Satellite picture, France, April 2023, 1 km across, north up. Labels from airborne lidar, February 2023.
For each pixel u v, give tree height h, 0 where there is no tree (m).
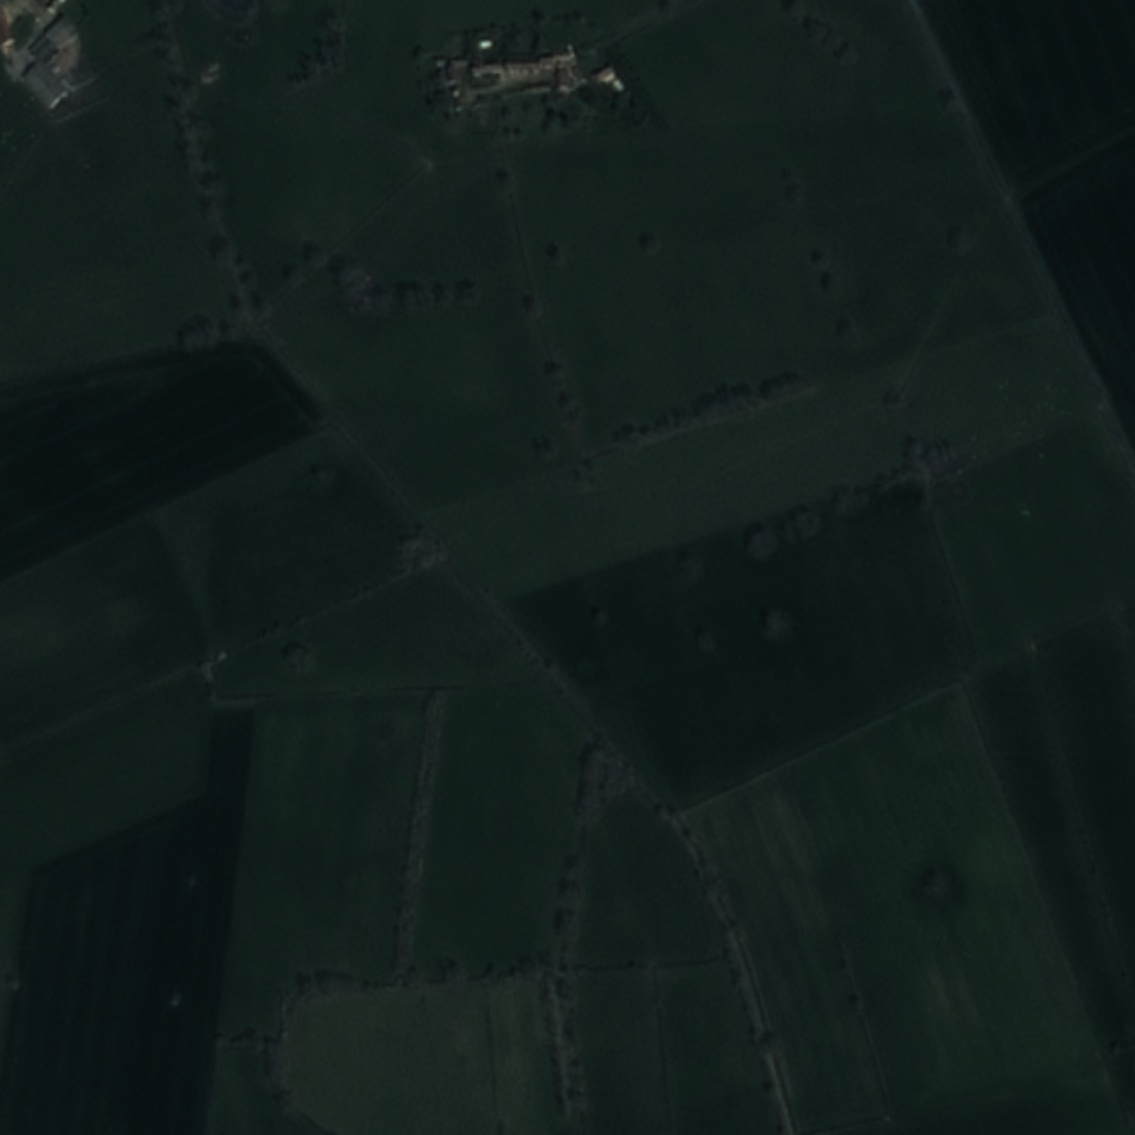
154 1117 0
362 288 16
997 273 0
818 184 0
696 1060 0
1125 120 0
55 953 0
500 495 0
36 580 0
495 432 0
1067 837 0
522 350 0
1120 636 0
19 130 0
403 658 0
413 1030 0
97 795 0
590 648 0
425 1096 0
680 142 0
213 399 0
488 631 0
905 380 0
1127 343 0
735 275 0
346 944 0
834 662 0
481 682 0
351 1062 0
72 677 0
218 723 0
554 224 0
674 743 0
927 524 0
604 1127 0
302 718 0
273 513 0
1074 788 0
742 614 0
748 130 0
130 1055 0
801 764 0
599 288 0
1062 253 0
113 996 0
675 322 0
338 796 0
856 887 0
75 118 0
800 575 0
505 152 0
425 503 0
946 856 0
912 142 0
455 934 0
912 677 0
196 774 0
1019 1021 0
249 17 0
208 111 0
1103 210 0
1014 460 0
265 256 0
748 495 0
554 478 0
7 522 0
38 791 0
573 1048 14
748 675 0
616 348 0
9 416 0
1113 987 0
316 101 0
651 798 0
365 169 0
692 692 0
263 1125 0
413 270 0
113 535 0
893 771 0
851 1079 0
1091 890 0
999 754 0
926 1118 0
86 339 0
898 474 7
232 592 0
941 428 0
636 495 0
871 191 0
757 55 0
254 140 0
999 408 0
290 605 0
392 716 0
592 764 16
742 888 0
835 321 0
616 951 0
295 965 0
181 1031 0
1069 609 0
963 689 0
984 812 0
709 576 0
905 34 0
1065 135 0
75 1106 0
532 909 0
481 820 0
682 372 0
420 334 0
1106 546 0
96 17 0
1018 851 0
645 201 0
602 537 0
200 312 0
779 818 0
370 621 0
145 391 0
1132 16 0
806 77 0
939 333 0
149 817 0
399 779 0
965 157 0
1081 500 0
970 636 0
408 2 0
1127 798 0
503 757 0
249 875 0
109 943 0
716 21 0
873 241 0
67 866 0
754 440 0
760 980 0
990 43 0
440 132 0
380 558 0
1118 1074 0
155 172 0
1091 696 0
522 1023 0
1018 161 0
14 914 0
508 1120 0
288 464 0
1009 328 0
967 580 0
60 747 0
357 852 0
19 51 0
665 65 0
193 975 0
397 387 0
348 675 0
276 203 0
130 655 0
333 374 0
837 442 0
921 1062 0
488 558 0
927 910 0
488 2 0
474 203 0
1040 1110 0
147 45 0
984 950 0
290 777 0
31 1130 0
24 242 0
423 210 0
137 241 0
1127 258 0
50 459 0
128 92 0
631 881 0
